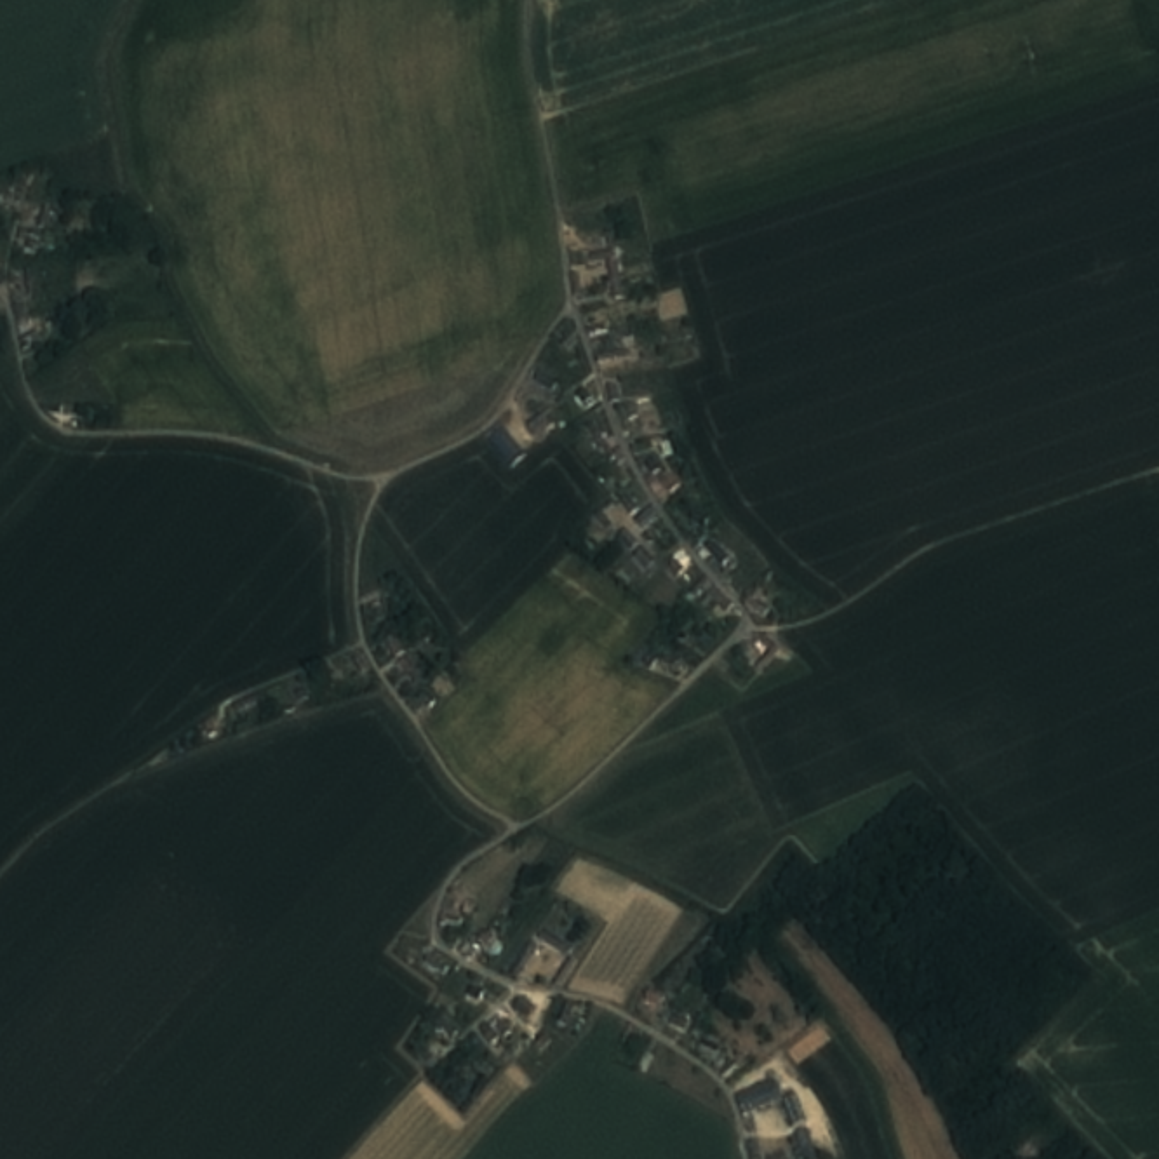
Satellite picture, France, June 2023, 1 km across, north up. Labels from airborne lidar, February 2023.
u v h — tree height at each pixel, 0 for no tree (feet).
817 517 0
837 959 38
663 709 0
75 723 0
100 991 0
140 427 0
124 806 0
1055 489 0
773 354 0
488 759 0
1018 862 0
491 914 0
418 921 0
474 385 0
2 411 0
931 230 0
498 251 0
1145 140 0
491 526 0
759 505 0
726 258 0
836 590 0
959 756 0
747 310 0
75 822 0
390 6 0
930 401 0
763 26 0
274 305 0
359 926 0
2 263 0
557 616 0
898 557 0
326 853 0
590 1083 0
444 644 33
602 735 0
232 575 0
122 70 0
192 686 0
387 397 0
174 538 0
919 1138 0
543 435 0
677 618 21
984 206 0
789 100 0
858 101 0
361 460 0
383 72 0
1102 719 0
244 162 0
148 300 0
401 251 0
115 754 0
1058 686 0
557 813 0
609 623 0
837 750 0
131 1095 0
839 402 0
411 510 0
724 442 0
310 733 0
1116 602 0
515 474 0
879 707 0
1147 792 0
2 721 0
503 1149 0
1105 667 0
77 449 0
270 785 0
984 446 0
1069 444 0
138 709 0
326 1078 0
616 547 35
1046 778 0
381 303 0
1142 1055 0
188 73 0
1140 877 0
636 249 0
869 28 0
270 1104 0
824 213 0
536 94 0
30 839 0
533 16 0
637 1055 20
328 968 0
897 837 40
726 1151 0
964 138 0
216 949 0
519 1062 0
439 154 0
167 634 0
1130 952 0
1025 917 53
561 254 0
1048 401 0
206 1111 0
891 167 0
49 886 0
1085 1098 0
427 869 0
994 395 0
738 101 0
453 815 0
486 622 0
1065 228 0
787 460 0
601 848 0
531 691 0
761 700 0
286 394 0
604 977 0
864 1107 0
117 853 0
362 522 0
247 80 0
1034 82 0
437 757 0
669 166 0
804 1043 0
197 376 0
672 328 0
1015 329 0
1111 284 0
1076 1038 0
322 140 0
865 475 0
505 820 0
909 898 56
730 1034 0
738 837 0
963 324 0
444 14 0
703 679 0
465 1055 26
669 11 0
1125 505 0
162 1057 0
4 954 0
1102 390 0
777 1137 0
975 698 0
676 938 0
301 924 0
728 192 0
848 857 46
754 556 0
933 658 0
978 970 56
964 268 0
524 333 0
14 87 0
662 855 0
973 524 0
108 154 0
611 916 0
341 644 0
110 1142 0
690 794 0
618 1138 0
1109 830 0
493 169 0
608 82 0
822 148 0
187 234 0
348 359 0
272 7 0
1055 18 0
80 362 0
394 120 0
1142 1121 0
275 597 0
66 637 0
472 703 0
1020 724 0
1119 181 0
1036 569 0
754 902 0
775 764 0
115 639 0
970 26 0
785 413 0
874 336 0
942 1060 67
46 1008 0
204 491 0
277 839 0
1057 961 45
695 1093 0
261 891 0
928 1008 30
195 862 0
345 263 0
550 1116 0
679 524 18
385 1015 0
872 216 0
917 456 0
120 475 0
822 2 0
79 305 53
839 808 0
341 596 0
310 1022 0
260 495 0
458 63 0
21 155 0
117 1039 0
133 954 0
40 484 0
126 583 0
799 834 0
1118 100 0
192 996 0
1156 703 0
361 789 0
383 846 0
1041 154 0
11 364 0
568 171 0
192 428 0
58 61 0
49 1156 0
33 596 0
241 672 0
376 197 0
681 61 0
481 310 0
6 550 0
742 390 0
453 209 0
